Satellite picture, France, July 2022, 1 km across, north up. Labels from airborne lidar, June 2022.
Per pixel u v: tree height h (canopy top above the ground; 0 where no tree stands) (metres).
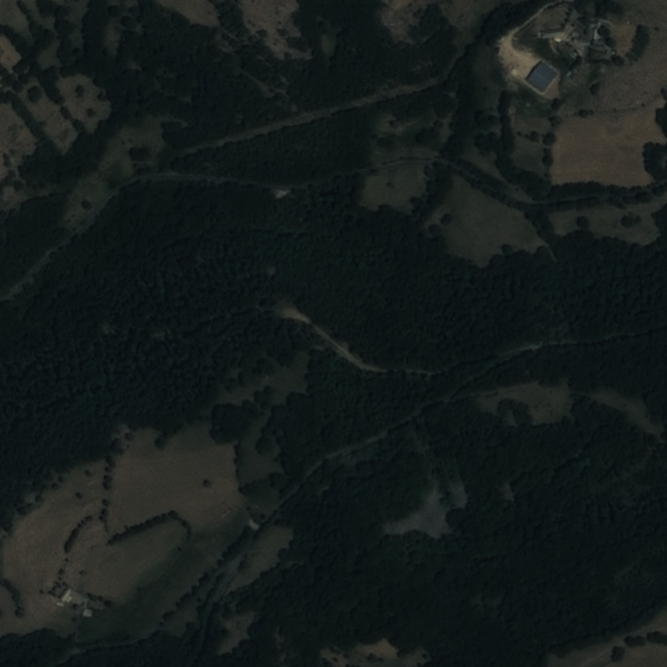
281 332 17
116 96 23
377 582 19
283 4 0
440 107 21
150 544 0
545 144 10
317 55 18
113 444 8
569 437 20
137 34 14
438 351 21
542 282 21
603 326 17
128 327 19
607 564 21
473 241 0
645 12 0
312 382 17
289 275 15
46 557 0
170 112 21
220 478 0
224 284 18
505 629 7
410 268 18
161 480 0
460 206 0
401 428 16
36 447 17
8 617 0
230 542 0
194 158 17
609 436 21
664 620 0
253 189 21
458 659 17
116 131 18
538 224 17
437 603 16
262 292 19
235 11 17
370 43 20
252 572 0
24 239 23
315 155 19
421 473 18
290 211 15
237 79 17
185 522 9
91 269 12
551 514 25
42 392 26
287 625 15
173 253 22
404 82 15
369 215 21
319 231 16
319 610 25
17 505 10
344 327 13
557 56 0
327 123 13
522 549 16
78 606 7
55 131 0
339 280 19
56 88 15
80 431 17
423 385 22
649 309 19
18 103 18
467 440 16
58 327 21
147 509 0
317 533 14
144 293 23
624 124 0
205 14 0
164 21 13
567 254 22
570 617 18
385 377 12
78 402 24
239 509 0
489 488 18
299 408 21
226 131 15
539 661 9
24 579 0
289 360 19
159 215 10
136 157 18
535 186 16
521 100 0
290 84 14
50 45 12
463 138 19
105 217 22
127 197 25
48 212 24
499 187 21
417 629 15
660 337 17
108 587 0
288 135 18
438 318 21
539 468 20
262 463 0
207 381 18
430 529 0
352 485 18
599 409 13
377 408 19
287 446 22
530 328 17
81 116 0
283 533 0
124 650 16
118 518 0
